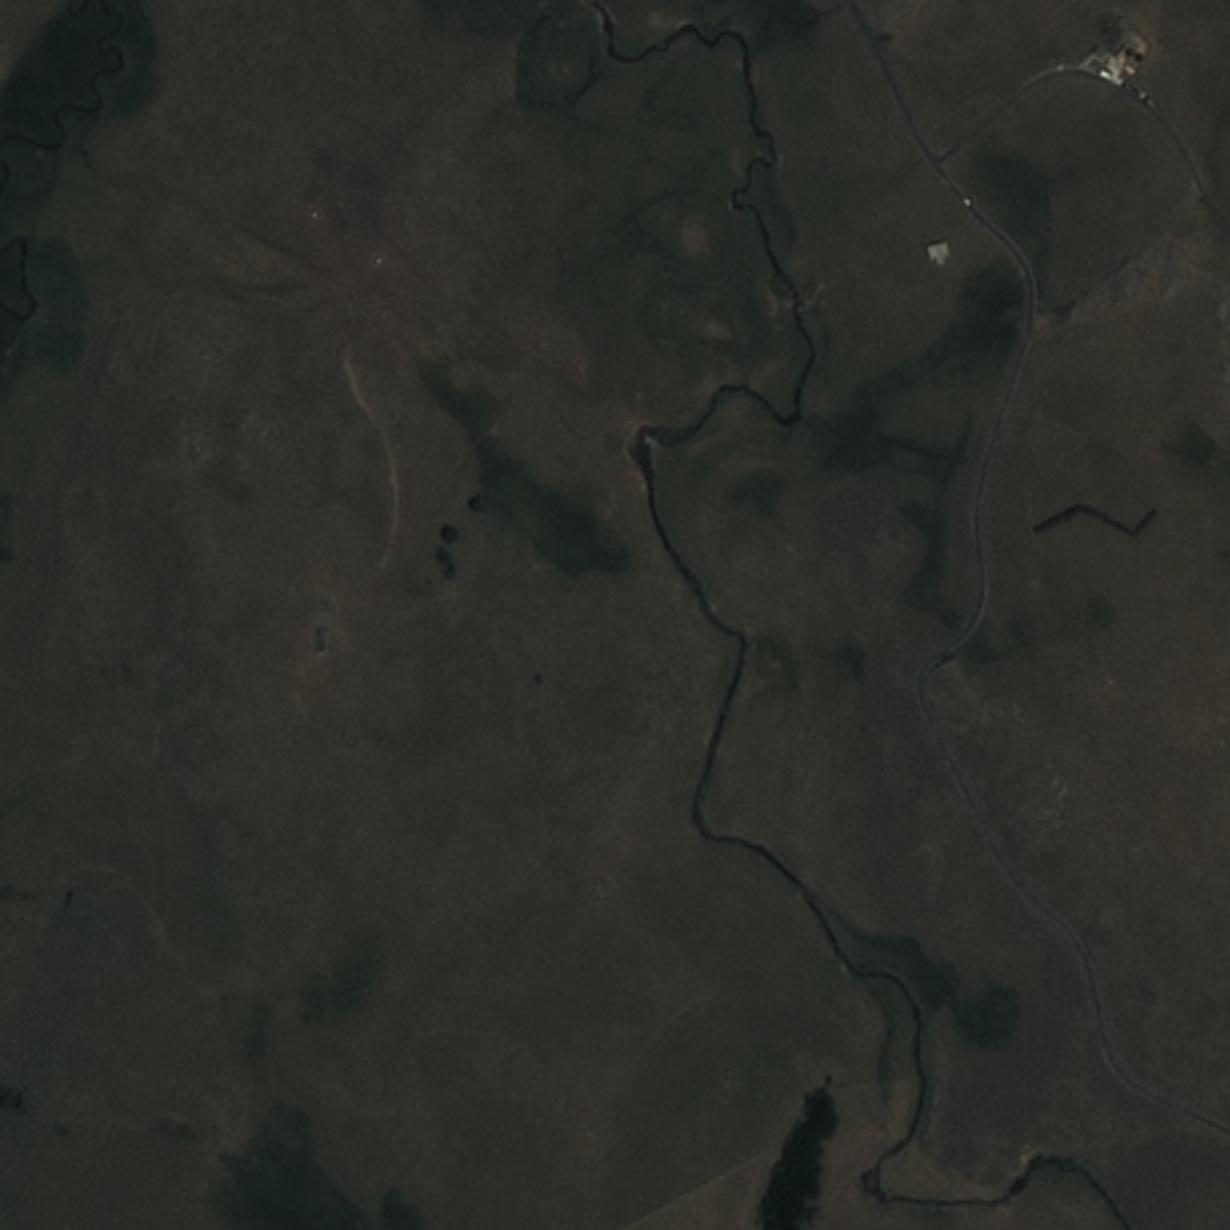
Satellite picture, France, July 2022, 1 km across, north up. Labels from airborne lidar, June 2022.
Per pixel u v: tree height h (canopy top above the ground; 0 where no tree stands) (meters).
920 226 0
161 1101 0
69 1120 0
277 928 0
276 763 0
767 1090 0
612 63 0
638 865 0
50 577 0
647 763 0
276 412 0
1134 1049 0
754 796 0
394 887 0
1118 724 0
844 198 0
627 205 0
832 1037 0
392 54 0
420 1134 0
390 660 0
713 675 0
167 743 0
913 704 0
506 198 0
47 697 0
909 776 0
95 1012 0
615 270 0
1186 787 0
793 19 0
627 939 0
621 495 0
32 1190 0
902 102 0
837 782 0
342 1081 0
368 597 0
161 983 0
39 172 0
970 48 0
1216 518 0
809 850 0
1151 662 0
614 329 0
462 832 0
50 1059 0
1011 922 0
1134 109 0
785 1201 15
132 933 0
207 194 0
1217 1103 0
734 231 0
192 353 0
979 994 0
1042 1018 0
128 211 0
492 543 0
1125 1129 0
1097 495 0
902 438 0
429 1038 0
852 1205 0
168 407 0
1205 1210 0
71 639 0
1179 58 0
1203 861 0
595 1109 0
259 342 0
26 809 0
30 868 0
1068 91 0
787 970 0
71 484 0
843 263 0
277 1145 0
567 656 0
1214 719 0
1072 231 0
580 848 0
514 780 0
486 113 0
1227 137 0
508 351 0
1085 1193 0
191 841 0
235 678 0
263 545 0
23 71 0
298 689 0
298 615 0
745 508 0
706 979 0
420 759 0
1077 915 0
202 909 0
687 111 0
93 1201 0
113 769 0
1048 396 0
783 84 0
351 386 0
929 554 0
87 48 0
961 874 0
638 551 0
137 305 0
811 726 0
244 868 0
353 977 0
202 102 0
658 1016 0
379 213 0
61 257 0
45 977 0
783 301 0
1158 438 0
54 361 0
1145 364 0
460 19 0
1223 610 0
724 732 0
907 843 0
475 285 0
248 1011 0
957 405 0
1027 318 0
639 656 0
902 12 0
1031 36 0
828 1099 12
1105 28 0
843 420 0
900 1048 0
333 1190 0
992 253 0
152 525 0
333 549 0
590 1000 0
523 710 0
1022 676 0
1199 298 0
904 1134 0
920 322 0
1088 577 0
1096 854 0
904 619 0
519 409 0
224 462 0
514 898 0
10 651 0
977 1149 0
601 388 0
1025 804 0
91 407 0
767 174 0
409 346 0
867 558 0
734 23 0
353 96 0
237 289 0
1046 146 0
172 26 0
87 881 0
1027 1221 0
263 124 0
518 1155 0
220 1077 0
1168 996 0
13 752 0
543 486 0
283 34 0
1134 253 0
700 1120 0
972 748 0
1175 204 0
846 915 0
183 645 0
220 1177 0
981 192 0
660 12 0
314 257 0
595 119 0
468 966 0
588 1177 0
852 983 0
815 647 0
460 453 0
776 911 0
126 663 0
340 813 0
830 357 0
